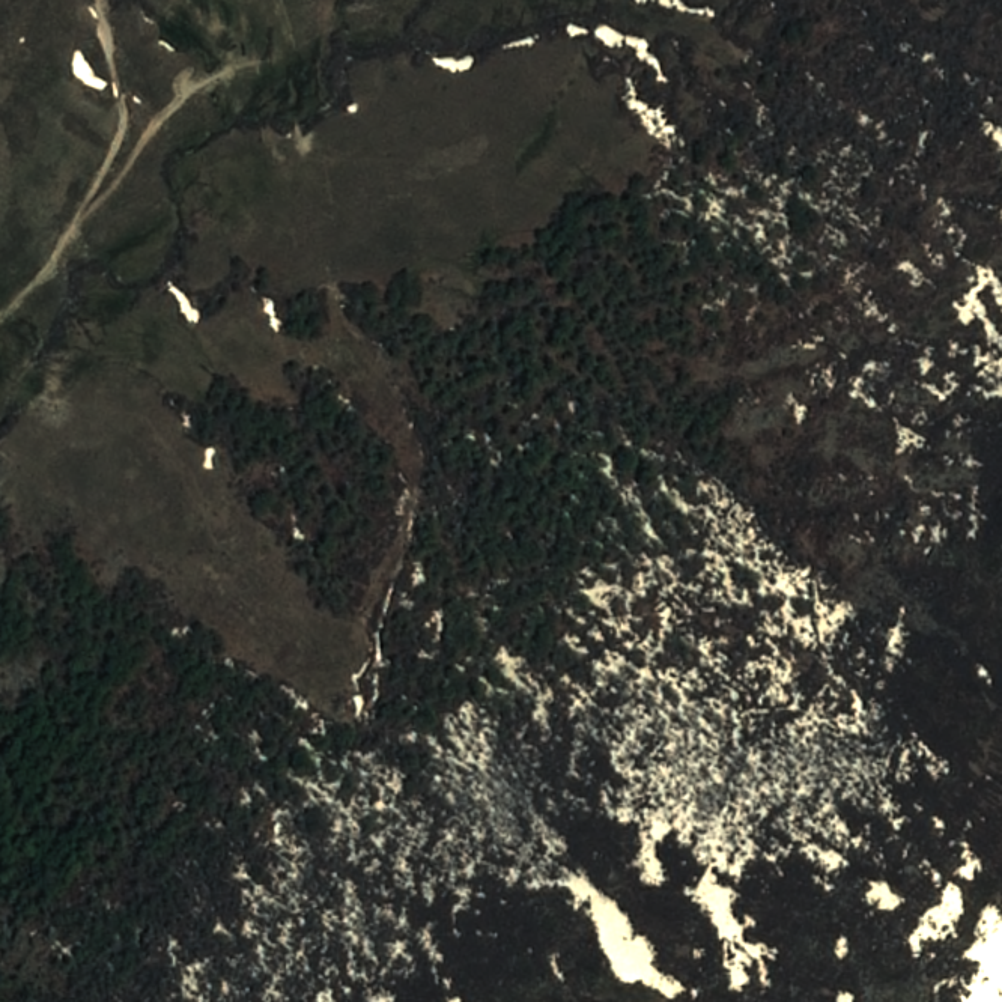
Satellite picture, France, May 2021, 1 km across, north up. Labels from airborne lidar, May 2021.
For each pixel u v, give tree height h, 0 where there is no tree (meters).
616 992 0
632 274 17
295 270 0
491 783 7
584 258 19
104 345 0
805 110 9
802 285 18
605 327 16
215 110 0
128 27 0
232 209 0
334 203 0
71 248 0
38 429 0
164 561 0
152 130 0
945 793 0
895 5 0
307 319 12
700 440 13
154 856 9
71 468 0
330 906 7
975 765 0
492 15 0
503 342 15
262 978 7
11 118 0
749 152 9
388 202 0
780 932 0
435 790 6
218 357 0
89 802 9
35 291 0
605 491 21
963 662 0
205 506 0
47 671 14
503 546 17
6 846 18
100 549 0
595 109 0
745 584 10
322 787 8
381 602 0
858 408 0
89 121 0
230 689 10
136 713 12
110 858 10
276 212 0
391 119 0
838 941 0
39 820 8
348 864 7
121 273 0
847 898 0
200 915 7
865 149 8
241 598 0
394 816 8
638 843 0
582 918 0
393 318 9
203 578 0
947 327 0
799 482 8
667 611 0
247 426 20
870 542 0
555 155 0
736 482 12
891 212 8
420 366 11
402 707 15
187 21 0
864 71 8
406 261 0
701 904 0
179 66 0
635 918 0
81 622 17
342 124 0
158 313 0
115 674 15
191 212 0
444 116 0
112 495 0
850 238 11
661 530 14
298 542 19
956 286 0
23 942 0
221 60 0
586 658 12
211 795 19
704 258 15
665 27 0
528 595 17
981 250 0
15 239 0
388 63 0
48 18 0
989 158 0
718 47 0
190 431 10
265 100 0
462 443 19
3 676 8
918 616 0
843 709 0
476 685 14
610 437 17
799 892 0
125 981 7
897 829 0
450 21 0
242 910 8
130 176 0
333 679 0
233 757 17
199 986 7
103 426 0
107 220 0
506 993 0
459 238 0
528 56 0
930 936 0
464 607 11
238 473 8
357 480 10
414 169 0
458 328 11
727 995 0
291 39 0
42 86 0
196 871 5
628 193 9
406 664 10
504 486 18
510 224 0
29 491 0
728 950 0
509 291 18
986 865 0
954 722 0
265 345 0
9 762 18
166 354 0
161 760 12
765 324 12
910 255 0
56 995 7
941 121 8
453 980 0
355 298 11
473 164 0
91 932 6
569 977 0
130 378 0
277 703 9
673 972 0
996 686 0
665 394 13
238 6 0
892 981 0
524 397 16
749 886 0
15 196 0
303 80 0
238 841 8
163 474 0
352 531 9
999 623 0
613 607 7
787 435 9
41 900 10
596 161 0
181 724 10
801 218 17
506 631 18
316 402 17
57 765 19
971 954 0
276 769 17
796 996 0
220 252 0
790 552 10
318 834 8
